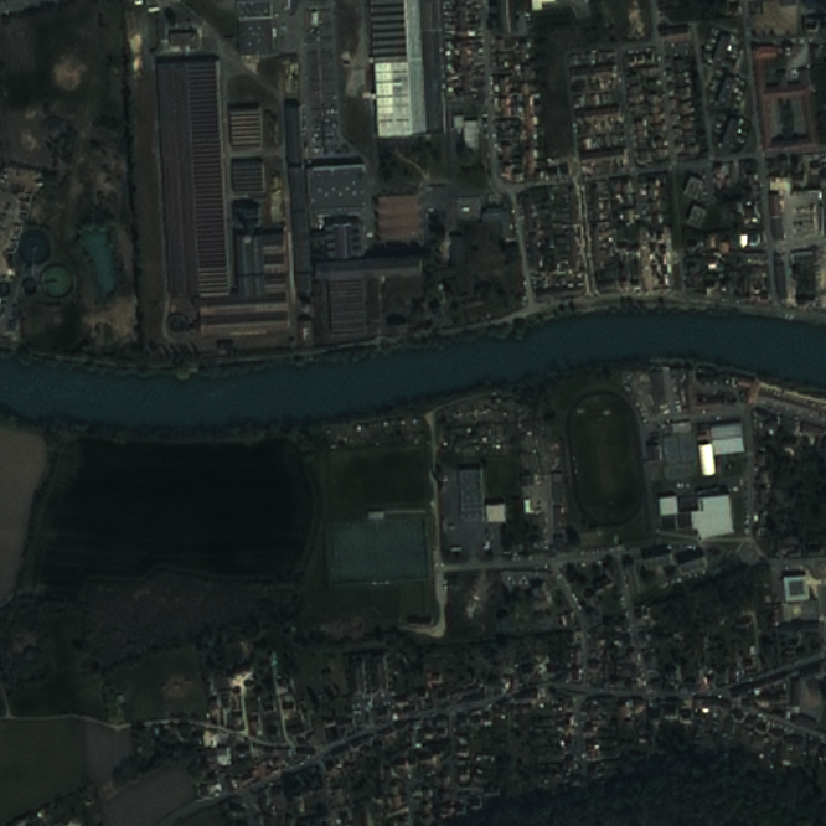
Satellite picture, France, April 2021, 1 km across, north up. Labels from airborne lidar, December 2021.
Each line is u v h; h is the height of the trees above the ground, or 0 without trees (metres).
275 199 0
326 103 0
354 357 11
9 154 0
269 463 0
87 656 12
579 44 0
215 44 0
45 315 0
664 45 0
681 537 0
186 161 0
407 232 0
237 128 0
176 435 14
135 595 0
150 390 0
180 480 0
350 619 0
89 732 0
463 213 0
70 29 0
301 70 0
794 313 0
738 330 0
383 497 0
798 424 0
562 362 0
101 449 0
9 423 19
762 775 17
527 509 0
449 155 0
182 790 0
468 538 0
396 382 0
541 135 0
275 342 0
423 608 0
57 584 0
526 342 0
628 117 0
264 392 0
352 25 0
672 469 0
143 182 0
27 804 0
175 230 0
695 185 0
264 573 0
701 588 19
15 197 0
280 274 0
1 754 0
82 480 0
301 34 0
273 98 0
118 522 0
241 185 0
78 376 0
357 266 0
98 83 0
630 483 0
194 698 0
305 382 0
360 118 0
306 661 0
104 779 0
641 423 0
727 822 28
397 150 8
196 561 0
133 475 0
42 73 0
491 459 0
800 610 0
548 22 0
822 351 0
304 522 0
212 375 13
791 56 0
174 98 0
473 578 0
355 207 0
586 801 20
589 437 0
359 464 0
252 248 0
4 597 0
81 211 0
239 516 0
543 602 0
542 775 12
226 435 13
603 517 0
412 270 0
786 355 0
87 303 0
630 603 0
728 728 0
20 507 0
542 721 7
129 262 0
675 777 24
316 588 0
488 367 0
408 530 0
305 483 0
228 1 0
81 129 0
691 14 0
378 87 0
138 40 0
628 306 8
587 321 0
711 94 0
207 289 0
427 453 0
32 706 0
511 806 24
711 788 28
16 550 0
